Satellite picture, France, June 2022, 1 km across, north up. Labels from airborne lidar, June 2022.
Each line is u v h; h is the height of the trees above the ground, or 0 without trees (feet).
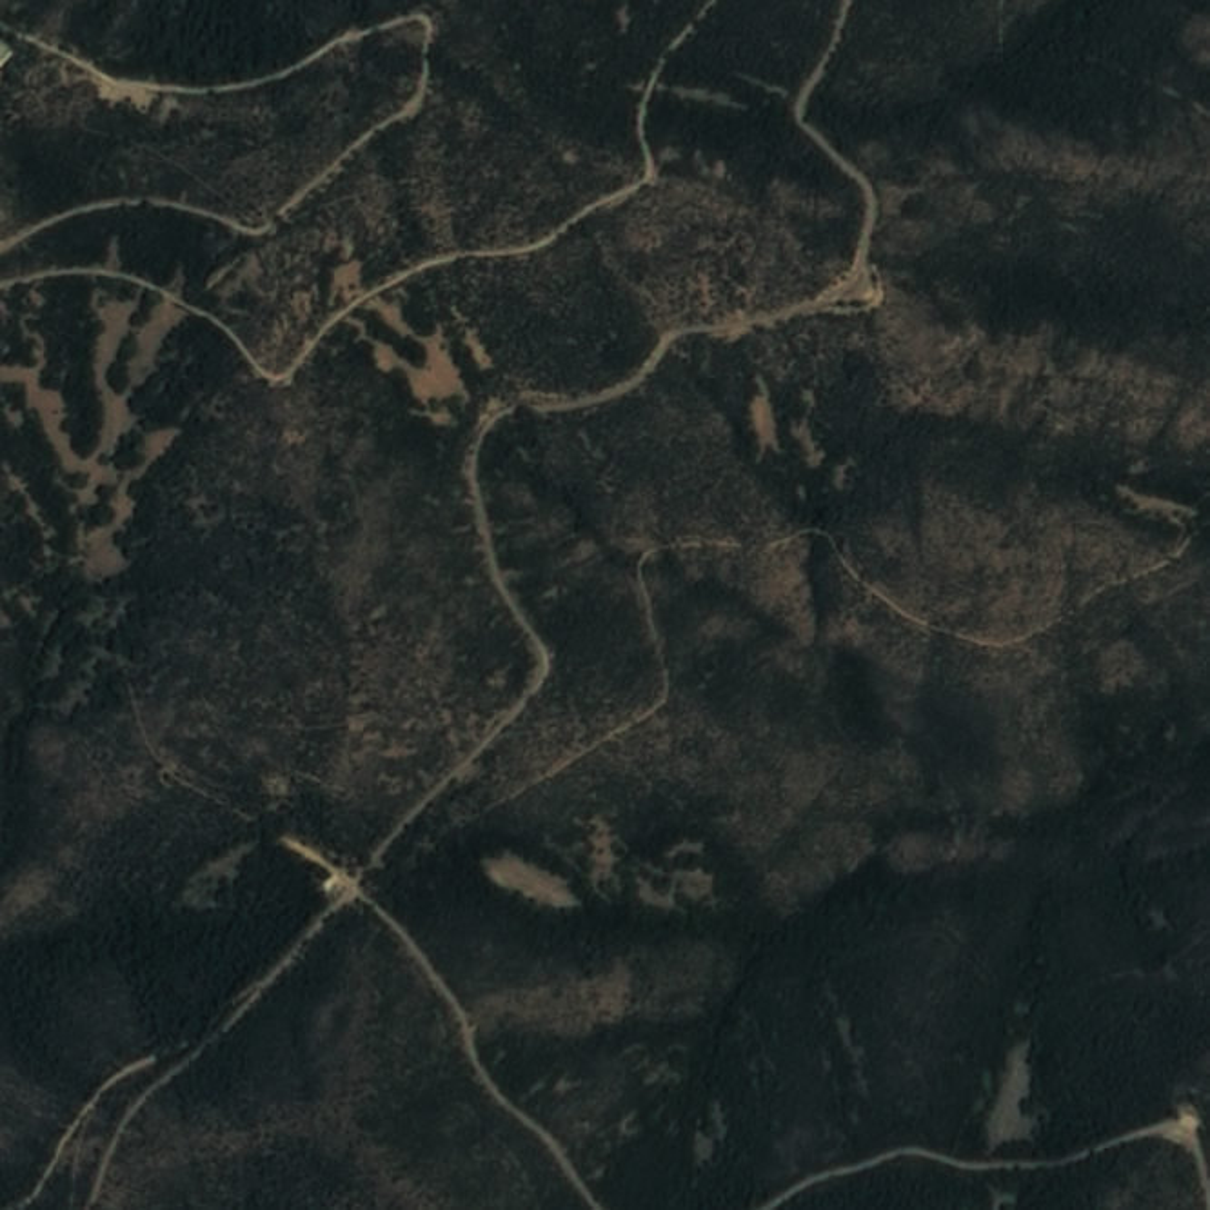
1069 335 23
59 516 18
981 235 26
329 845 24
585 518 34
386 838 25
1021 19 30
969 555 0
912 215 26
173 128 26
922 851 0
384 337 29
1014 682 0
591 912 34
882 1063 0
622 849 19
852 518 20
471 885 26
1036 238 20
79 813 0
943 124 25
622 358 34
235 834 28
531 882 0
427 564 0
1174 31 25
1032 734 0
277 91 24
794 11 21
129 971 33
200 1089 28
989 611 0
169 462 33
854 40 22
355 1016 0
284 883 24
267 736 0
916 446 18
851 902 24
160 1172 0
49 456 19
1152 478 40
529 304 21
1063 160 0
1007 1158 21
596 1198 21
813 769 0
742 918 23
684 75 23
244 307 26
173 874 31
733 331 0
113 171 25
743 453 30
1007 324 22
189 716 0
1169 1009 23
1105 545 0
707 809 27
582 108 20
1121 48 20
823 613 26
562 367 26
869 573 19
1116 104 27
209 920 20
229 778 19
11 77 26
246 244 26
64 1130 27
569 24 19
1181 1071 24
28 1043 22
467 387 22
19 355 23
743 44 21
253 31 31
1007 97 31
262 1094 0
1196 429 0
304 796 24
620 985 0
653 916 40
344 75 22
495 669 20
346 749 0
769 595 0
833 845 0
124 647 23
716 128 29
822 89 27
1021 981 23
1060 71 30
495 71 0
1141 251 22
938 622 19
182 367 22
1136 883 23
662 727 0
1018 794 0
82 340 21
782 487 24
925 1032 20
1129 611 19
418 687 0
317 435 0
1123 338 25
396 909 19
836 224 24
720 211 0
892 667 0
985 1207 20
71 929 18
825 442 31
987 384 0
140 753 0
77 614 31
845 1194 25
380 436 19
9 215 0
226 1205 23
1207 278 18
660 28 24
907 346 0
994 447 21
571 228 29
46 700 21
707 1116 25
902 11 20
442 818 26
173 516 30
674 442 21
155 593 24
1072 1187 21
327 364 24
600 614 17
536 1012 0
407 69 20
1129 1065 24
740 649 18
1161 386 0
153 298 44
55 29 0
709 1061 26
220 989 29
